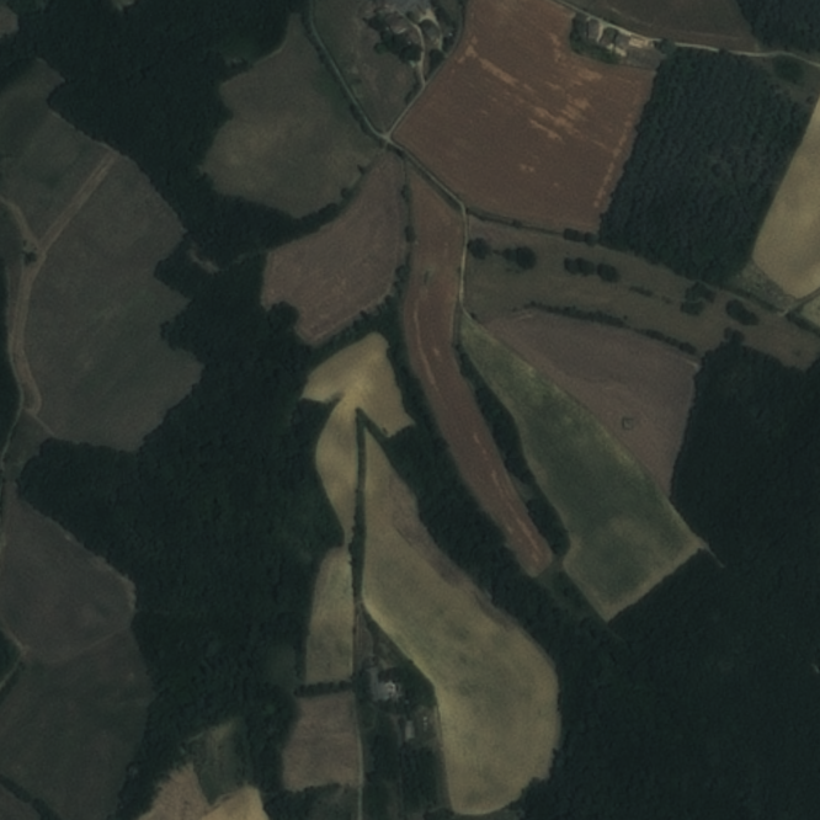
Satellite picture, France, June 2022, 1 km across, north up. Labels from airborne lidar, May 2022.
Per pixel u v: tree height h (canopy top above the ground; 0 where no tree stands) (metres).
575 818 26
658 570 0
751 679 14
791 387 21
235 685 6
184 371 0
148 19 18
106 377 0
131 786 14
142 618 6
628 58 0
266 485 8
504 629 0
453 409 0
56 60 17
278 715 6
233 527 15
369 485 0
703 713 17
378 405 0
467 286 0
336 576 0
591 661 18
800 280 0
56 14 19
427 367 0
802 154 0
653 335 10
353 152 0
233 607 17
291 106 0
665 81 19
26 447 0
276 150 0
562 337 0
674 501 10
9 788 12
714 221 22
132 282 0
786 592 19
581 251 0
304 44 0
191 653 9
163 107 20
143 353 0
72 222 0
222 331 25
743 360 16
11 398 10
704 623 9
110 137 22
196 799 0
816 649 14
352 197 12
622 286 0
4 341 11
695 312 9
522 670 0
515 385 0
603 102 0
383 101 0
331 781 0
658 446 0
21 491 9
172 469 22
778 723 19
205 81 21
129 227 0
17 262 0
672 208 19
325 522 6
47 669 0
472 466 0
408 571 0
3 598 0
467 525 18
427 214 0
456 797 0
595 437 0
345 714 0
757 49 0
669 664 16
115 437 0
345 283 0
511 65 0
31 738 0
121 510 23
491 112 0
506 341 0
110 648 0
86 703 0
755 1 16
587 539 0
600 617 0
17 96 0
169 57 19
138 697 0
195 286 15
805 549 16
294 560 6
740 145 16
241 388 20
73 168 0
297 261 0
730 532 11
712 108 19
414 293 0
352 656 0
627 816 15
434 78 0
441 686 0
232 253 16
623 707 19
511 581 22
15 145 0
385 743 12
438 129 0
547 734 0
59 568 0
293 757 0
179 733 6
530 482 16
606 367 0
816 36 12
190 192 21
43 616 0
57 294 0
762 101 9
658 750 21
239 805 0
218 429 27
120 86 21
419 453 14
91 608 0
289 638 14
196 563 25
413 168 0
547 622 25
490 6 0
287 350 14
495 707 0
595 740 21
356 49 0
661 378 0
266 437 27
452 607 0
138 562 15
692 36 0
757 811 24
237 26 21
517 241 0
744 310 17
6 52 9
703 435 12
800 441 9
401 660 0
